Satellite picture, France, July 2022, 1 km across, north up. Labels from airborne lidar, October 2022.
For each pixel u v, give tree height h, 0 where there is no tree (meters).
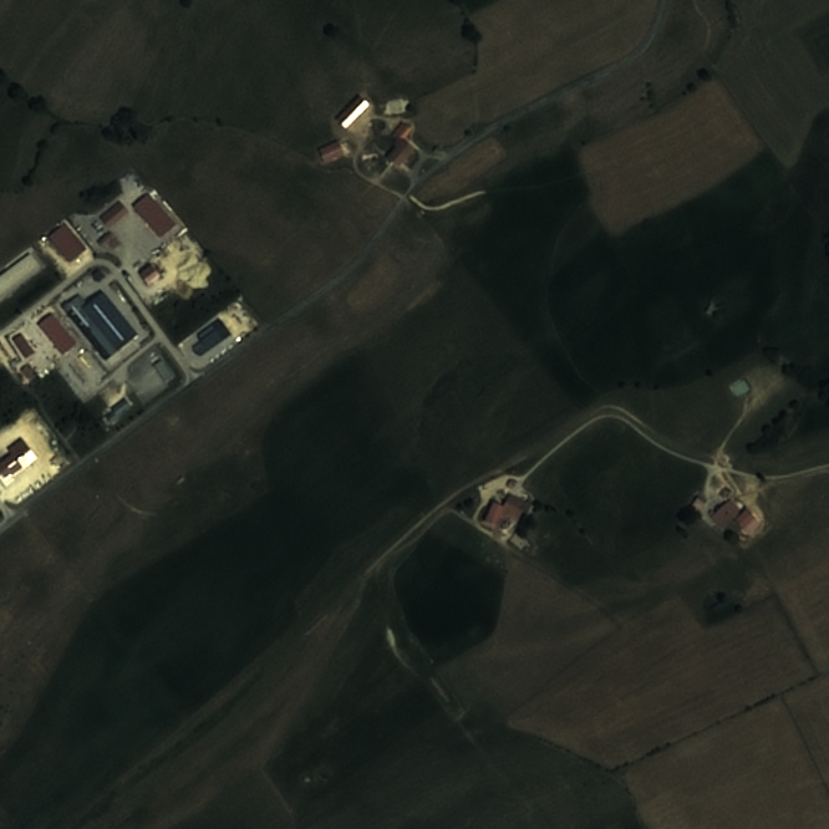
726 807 0
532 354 0
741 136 0
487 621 0
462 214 0
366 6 0
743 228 0
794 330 0
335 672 0
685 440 0
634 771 0
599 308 0
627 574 0
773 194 0
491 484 0
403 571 0
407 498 0
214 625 0
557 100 0
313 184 0
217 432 0
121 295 0
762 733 0
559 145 0
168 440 0
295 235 0
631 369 0
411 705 0
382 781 0
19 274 0
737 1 0
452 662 0
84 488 0
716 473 0
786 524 0
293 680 0
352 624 0
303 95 0
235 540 0
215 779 0
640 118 0
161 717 0
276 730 0
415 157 0
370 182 0
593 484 0
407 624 0
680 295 0
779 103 0
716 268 0
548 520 0
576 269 0
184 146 0
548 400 0
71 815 0
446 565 0
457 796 0
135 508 0
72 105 0
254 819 0
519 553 0
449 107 0
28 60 0
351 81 0
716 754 0
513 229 0
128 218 0
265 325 0
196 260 0
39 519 0
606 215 0
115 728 0
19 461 0
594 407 0
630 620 0
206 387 0
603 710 0
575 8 0
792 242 0
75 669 0
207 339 0
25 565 0
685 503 0
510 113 0
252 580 0
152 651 0
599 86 0
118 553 0
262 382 0
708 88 0
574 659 0
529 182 0
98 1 0
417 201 0
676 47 0
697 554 0
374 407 0
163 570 0
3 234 0
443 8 0
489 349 0
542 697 0
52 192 0
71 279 0
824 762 0
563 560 0
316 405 0
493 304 0
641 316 0
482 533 0
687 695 0
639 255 0
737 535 12
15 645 0
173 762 0
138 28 0
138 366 0
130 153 0
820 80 0
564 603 0
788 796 0
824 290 0
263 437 0
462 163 0
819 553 0
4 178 0
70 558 0
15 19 0
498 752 0
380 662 0
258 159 0
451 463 0
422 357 0
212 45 0
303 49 0
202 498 0
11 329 0
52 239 0
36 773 0
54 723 0
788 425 0
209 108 0
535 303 0
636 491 0
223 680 0
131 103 0
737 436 0
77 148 0
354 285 0
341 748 0
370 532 0
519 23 0
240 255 0
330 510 0
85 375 0
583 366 0
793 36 0
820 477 0
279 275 0
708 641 0
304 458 0
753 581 0
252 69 0
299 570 0
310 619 0
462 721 0
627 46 0
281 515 0
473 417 0
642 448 0
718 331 0
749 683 0
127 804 0
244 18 0
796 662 0
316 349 0
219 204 0
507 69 0
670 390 0
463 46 0
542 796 0
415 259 0
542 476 0
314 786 0
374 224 0
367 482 0
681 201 0
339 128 0
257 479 0
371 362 0
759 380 0
